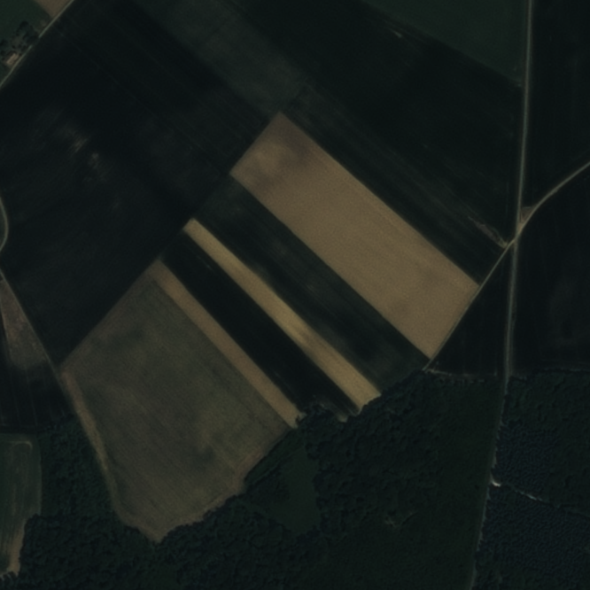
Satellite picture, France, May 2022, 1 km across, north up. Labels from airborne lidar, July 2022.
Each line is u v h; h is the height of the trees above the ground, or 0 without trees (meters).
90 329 0
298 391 0
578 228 0
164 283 0
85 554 26
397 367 0
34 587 23
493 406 8
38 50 0
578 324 0
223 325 0
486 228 0
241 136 0
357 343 0
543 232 0
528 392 24
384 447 23
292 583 21
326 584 14
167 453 0
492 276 0
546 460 18
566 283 0
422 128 0
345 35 0
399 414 23
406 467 28
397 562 8
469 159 0
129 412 0
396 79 0
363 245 0
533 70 0
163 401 0
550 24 0
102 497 25
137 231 0
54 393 0
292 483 0
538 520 17
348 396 0
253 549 23
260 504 14
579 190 0
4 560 0
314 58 0
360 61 0
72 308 0
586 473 27
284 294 0
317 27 0
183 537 22
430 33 0
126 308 0
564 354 0
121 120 0
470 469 8
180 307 0
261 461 7
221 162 0
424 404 25
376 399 0
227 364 0
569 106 0
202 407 0
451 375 0
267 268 0
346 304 0
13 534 0
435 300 0
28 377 0
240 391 0
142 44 0
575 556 20
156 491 0
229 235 0
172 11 0
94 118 0
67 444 27
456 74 0
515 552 19
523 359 0
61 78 0
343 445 28
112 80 0
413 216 0
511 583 24
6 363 0
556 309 0
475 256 0
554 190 0
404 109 0
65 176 0
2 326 0
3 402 0
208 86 0
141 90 0
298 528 0
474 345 0
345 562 9
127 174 0
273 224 0
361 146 0
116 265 0
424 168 0
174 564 27
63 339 0
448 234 0
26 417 0
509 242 0
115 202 0
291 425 0
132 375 0
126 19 0
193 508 0
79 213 0
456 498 8
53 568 29
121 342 0
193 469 0
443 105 0
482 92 0
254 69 0
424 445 28
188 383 0
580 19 0
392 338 0
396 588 9
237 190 0
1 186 0
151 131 0
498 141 0
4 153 0
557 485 19
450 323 0
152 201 0
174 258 0
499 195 0
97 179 0
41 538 28
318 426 25
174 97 0
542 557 22
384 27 0
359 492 32
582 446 22
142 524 0
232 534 18
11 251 0
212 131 0
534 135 0
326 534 26
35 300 0
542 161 0
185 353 0
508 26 0
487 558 22
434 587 7
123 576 28
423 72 0
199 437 0
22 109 0
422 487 26
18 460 0
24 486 0
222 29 0
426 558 8
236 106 0
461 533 9
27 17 0
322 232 0
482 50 0
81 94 0
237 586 26
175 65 0
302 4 0
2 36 0
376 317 0
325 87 0
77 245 0
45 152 0
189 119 0
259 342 0
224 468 0
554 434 24
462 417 10
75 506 30
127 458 0
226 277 0
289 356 0
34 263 0
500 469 18
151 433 0
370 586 11
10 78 0
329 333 0
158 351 0
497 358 0
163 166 0
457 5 0
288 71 0
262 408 0
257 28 0
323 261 0
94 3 0
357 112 0
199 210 0
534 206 0
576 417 23
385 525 6
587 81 0
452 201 0
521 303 0
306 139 0
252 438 0
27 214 0
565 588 22
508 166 0
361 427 24
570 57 0
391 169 0
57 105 0
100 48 0
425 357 0
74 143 0
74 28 0
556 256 0
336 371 0
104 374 0
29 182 0
